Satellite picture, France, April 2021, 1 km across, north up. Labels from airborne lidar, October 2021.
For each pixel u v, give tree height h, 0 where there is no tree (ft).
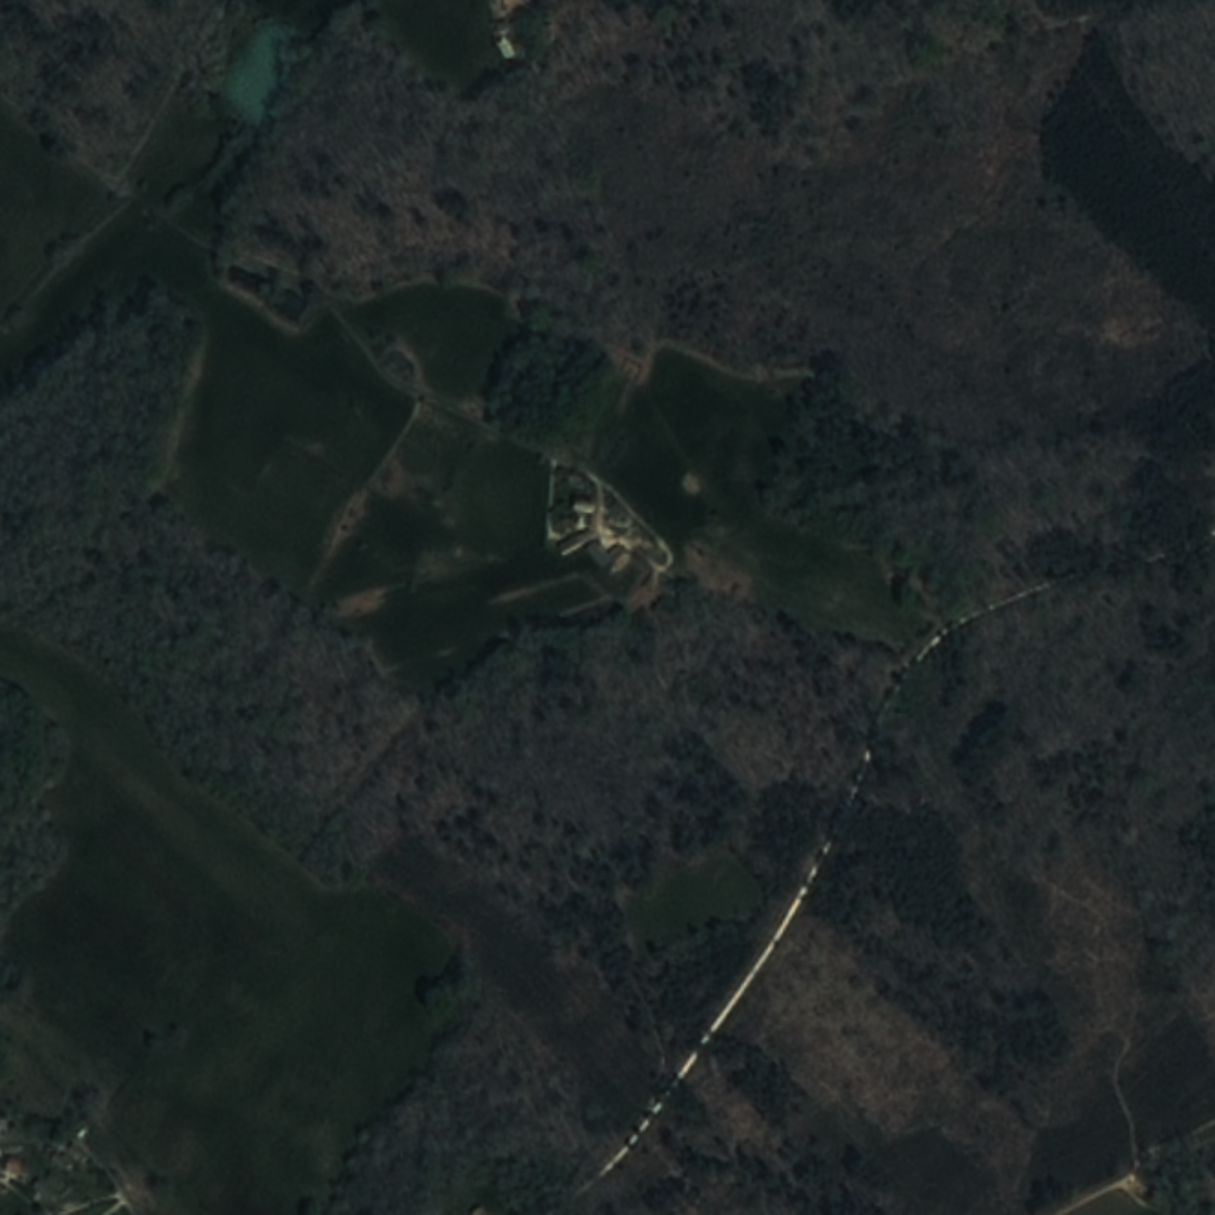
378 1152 52
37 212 0
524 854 40
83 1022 0
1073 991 23
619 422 0
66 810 0
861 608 0
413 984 0
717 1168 35
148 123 67
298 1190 0
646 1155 26
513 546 0
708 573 0
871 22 52
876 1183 82
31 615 47
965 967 57
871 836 83
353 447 0
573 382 89
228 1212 0
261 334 0
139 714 55
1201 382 38
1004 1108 32
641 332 58
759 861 34
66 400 64
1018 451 66
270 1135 0
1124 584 68
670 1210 82
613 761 50
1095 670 39
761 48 23
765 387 0
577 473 26
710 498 0
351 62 53
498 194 48
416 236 53
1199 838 35
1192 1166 56
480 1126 43
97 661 68
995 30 58
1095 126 38
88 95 62
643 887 63
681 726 60
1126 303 21
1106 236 40
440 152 56
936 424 26
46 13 73
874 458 78
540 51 73
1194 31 69
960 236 22
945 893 80
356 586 0
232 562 60
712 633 65
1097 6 31
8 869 30
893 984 57
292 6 0
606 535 0
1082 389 19
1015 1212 0
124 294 0
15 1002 43
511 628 0
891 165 27
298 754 52
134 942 0
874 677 65
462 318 0
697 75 36
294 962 0
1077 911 0
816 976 50
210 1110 0
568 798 47
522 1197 42
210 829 0
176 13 80
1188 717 41
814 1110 77
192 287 0
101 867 0
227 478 0
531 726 50
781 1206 72
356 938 0
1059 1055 74
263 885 0
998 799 62
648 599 0
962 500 50
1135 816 31
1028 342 21
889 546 66
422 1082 54
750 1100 87
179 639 47
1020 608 73
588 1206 52
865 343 37
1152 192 46
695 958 32
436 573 0
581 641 61
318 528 0
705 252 25
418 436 0
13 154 0
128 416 61
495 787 51
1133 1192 0
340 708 46
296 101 64
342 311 0
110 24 77
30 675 0
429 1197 52
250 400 0
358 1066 0
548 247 38
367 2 29
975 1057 46
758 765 55
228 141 32
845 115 52
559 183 80
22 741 75
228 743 68
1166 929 60
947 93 32
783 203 20
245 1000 0
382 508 0
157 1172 0
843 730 55
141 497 71
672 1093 61
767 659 26
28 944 0
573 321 50
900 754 77
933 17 56
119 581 53
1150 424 33
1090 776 24
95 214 0
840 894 41
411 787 54
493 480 0
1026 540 53
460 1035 31
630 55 22
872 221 21
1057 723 55
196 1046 0
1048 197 20
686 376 0
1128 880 43
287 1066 0
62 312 0
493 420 34
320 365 0
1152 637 55
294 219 52
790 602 0
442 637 0
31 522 80
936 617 36
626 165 22
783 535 0
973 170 17
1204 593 43
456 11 0
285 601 56
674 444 0
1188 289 45
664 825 83
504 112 73
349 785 27
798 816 40
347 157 61
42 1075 0
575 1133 66
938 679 39
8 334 0
